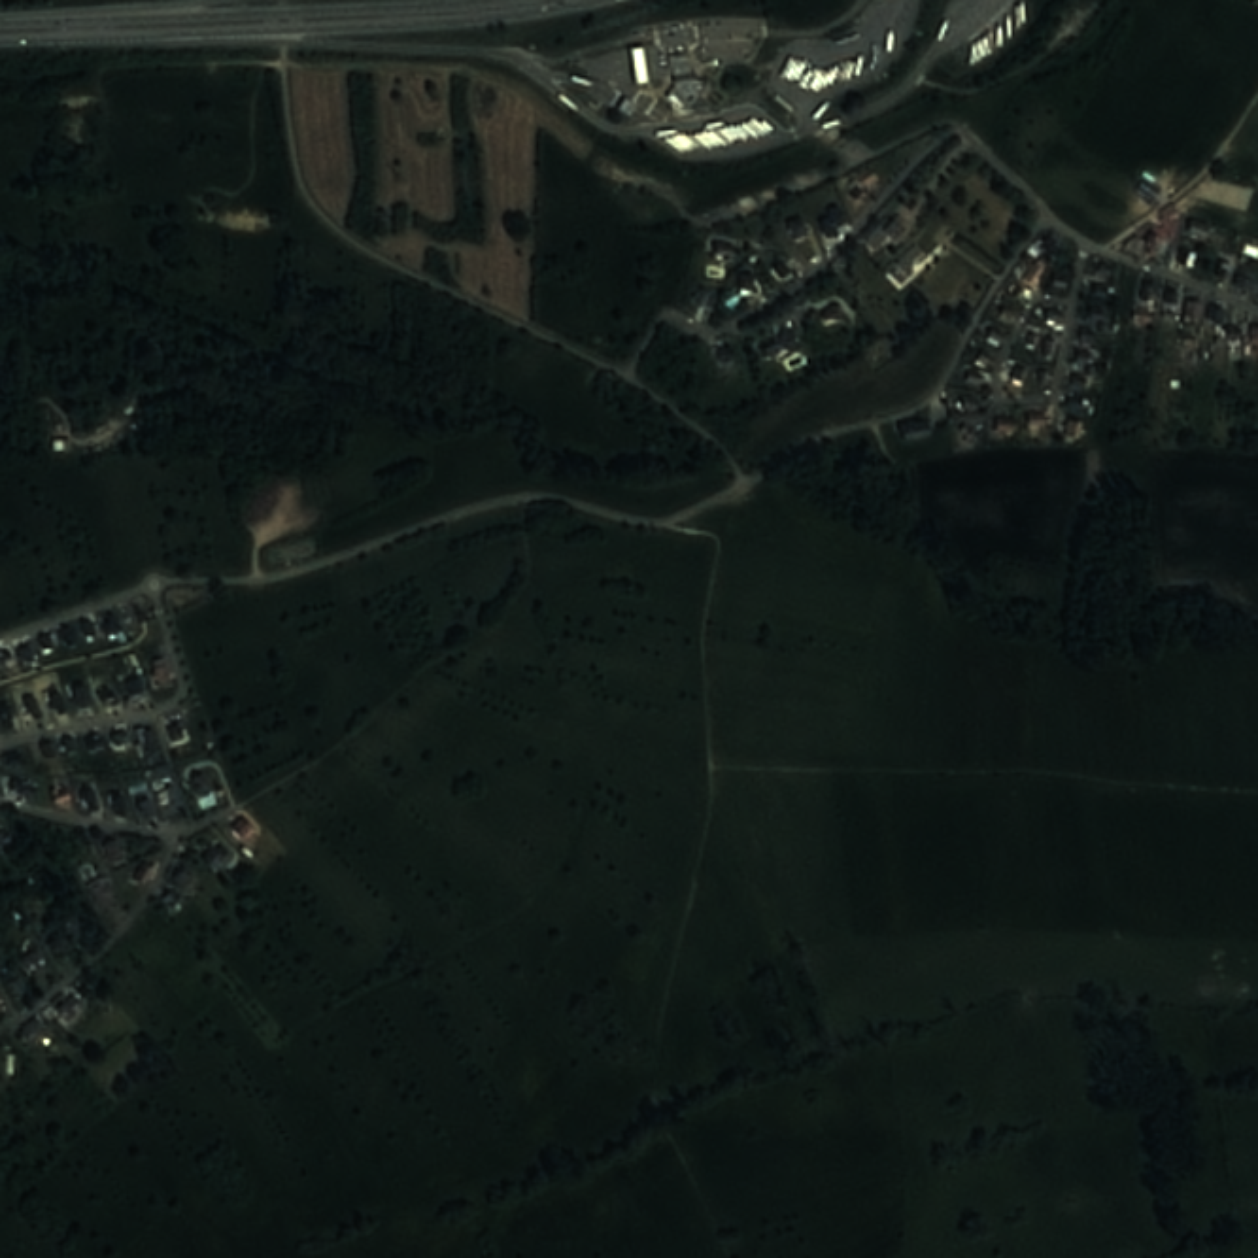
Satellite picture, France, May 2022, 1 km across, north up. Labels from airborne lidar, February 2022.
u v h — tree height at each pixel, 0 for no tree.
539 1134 0
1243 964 0
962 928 0
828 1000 0
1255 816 0
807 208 0
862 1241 0
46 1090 8
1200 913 0
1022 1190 0
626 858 0
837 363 15
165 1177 0
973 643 0
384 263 0
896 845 0
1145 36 0
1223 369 0
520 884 0
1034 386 0
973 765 0
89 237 0
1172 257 0
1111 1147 0
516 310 0
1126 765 0
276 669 7
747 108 0
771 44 0
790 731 0
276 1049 0
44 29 0
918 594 0
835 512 12
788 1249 0
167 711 0
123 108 0
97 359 6
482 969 0
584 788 0
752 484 0
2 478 0
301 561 0
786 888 0
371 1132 0
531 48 0
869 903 0
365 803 0
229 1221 0
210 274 0
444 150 0
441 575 0
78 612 0
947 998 0
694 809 0
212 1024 6
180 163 0
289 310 17
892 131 0
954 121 0
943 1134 0
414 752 0
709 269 0
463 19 0
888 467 8
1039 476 0
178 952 0
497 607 6
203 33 0
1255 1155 0
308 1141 0
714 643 0
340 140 0
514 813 0
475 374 9
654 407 8
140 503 0
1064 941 0
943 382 0
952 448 0
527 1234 0
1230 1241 24
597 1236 0
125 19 0
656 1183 0
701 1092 9
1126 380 6
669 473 22
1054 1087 0
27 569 0
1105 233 0
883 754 0
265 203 0
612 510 0
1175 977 0
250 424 17
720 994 0
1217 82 0
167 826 0
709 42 0
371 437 0
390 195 0
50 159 17
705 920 0
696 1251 0
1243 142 0
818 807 0
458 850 0
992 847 0
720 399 0
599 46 0
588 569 0
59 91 8
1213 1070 0
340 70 0
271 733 8
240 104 0
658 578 0
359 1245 0
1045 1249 0
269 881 0
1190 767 0
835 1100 0
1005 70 10
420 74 0
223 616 0
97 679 0
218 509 0
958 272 0
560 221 0
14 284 24
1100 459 0
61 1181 0
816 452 18
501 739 0
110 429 0
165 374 19
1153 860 0
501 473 0
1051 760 0
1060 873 0
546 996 0
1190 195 0
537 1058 0
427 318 7
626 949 0
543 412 0
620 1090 0
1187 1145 32
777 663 0
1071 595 10
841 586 0
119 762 0
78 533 9
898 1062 0
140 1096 0
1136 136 0
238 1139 0
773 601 0
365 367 19
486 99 0
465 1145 0
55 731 0
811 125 0
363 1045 0
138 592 0
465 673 0
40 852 12
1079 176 0
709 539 0
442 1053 0
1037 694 0
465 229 6
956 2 0
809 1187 0
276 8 0
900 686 0
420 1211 0
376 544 0
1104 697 0
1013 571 0
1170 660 0
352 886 0
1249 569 0
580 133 0
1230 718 0
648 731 0
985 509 0
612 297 0
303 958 7
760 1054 0
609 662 0
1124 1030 30
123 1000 0
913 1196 0
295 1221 0
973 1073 0
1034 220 11
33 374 8
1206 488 0
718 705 0
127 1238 0
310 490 0
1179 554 0
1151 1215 0
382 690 0
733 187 0
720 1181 0
